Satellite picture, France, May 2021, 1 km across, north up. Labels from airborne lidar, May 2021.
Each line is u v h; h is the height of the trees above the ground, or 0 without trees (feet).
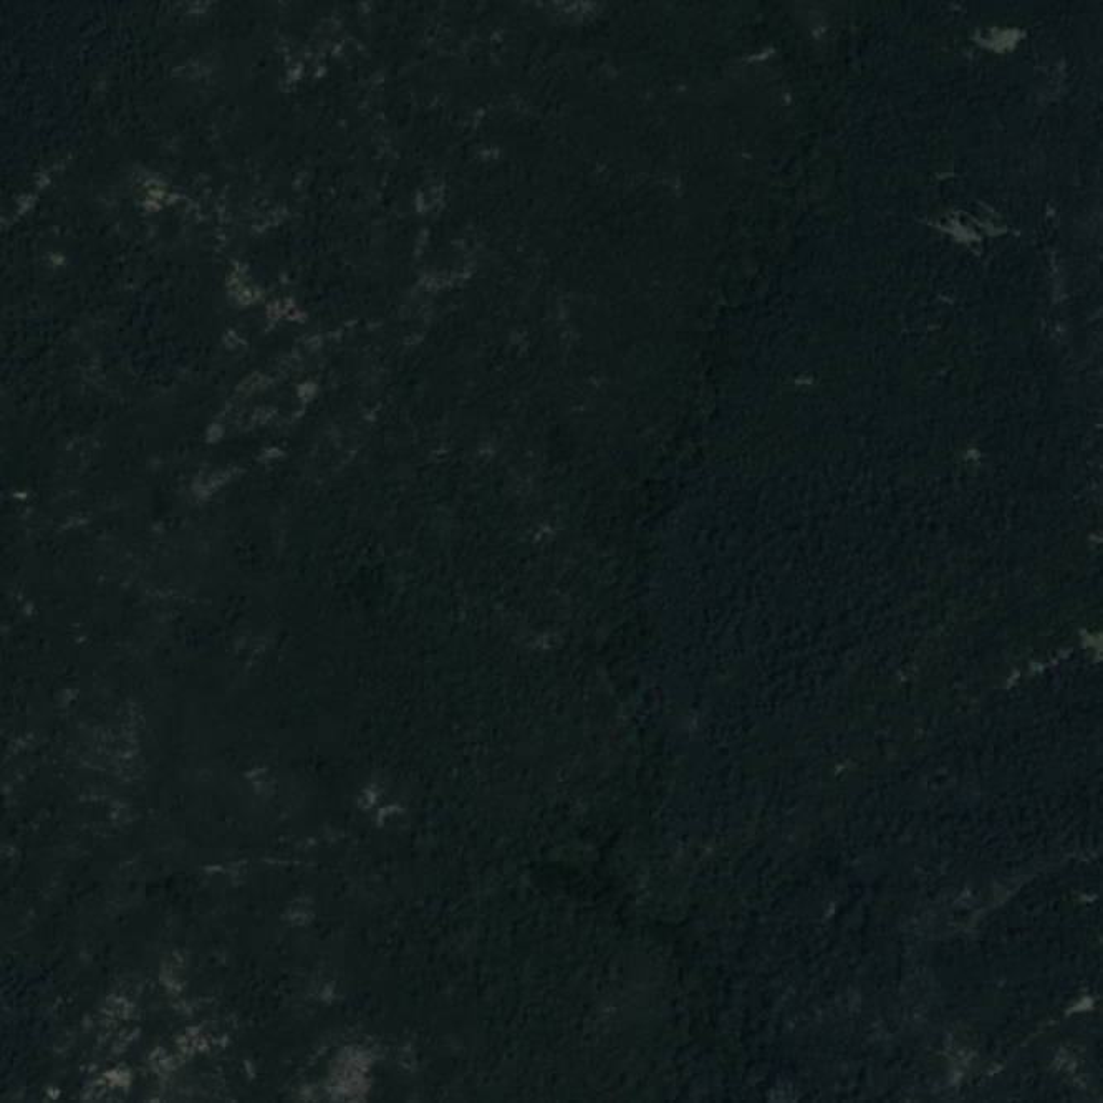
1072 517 22
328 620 19
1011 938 25
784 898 41
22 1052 48
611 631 41
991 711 27
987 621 25
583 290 19
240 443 30
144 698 18
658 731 41
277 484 25
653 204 34
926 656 34
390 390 29
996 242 31
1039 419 24
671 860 34
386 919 26
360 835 18
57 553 40
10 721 43
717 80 28
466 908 46
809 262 22
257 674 18
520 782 37
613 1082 23
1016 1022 42
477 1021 18
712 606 23
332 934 50
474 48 23
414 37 32
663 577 21
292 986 41
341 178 46
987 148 23
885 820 23
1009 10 19
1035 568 24
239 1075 20
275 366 24
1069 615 22
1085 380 22
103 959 38
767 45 21
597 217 27
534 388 27
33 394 42
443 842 55
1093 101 19
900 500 32
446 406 22
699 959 52
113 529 27
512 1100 39
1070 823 34
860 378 26
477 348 25
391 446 32
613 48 20
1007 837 47
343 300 33
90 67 48
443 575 40
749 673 21
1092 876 20
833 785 20
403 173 23
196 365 34
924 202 23
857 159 23
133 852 20
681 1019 61
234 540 30
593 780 26
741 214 38
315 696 19
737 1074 41
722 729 41
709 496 24
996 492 20
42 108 52
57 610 36
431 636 27
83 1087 36
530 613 21
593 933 32
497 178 42
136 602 35
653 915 26
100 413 49
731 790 46
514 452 24
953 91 24
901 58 27
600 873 52
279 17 18
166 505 51
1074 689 27
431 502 27
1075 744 19
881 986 38
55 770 19
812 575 27
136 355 42
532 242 19
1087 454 23
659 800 49
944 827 30
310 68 28
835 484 29
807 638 62
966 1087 27
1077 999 29
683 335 34
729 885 26
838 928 59
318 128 24
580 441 30
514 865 20
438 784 61
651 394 24
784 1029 37
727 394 40
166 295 39
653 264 27
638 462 64
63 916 35
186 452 39
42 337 39
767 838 21
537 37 20
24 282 20
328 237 46
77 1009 37
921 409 24
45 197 30
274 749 18
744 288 51
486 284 23
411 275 21
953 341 34
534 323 31
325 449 32
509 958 22
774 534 26
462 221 26
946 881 23
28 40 51
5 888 20
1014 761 26
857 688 27
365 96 29
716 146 22
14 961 31
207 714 19
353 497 21
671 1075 34
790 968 18
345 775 37
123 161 18
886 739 31
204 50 21
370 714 21
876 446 29
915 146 24
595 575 35
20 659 35
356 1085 0
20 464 22
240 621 48
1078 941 22
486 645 24
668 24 27
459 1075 19
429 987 26
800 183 46
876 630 36
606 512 47
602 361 27
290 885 18
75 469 28
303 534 23
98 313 35
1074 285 24
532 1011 35
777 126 21
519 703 32
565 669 37
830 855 23
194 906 39
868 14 49
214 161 27
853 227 27
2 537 18
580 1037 19
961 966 28
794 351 22
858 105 39
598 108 22
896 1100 49
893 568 39
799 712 43
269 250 19
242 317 24
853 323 24
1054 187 19
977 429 32
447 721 41
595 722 21
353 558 30
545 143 35
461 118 34
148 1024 19
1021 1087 34
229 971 31
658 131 27
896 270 22
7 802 46
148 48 17
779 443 26
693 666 41
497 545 23
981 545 29
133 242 19
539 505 21
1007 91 30
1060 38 23
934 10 23
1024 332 19
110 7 54
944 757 29
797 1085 23
